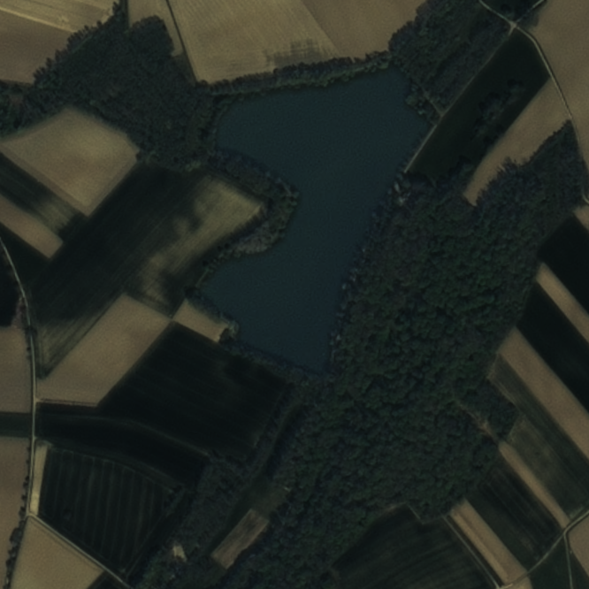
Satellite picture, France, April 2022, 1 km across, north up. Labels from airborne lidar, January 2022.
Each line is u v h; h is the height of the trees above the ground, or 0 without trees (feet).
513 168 78
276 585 96
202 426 0
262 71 0
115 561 0
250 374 0
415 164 0
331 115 0
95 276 0
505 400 63
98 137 0
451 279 106
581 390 0
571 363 0
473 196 0
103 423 0
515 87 52
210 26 0
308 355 0
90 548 0
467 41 0
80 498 0
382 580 0
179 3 0
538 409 0
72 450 0
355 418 77
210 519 54
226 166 54
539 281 0
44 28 0
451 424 115
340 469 99
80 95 70
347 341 95
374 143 0
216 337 0
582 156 69
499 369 0
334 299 0
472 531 0
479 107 0
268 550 78
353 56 0
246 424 0
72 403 0
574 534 0
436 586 0
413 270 118
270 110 0
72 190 0
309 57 0
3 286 0
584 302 0
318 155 0
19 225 0
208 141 55
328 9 0
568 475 0
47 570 0
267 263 0
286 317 0
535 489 0
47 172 0
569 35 0
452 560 0
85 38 67
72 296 0
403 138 0
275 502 0
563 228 0
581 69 0
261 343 0
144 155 56
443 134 0
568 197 74
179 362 0
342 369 69
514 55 0
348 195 0
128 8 0
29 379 0
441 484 100
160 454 0
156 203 0
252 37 0
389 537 0
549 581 0
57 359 0
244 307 0
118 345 0
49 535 0
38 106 70
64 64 65
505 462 0
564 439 0
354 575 0
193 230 0
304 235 0
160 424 0
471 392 101
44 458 0
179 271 0
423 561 0
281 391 0
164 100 81
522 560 0
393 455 110
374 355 89
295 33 0
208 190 0
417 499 96
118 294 0
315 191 0
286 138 0
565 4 0
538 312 0
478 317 85
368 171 0
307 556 108
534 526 0
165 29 49
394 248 111
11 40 0
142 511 0
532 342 0
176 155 76
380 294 102
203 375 0
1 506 0
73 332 0
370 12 0
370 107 0
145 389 0
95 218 0
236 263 0
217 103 59
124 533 0
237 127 0
